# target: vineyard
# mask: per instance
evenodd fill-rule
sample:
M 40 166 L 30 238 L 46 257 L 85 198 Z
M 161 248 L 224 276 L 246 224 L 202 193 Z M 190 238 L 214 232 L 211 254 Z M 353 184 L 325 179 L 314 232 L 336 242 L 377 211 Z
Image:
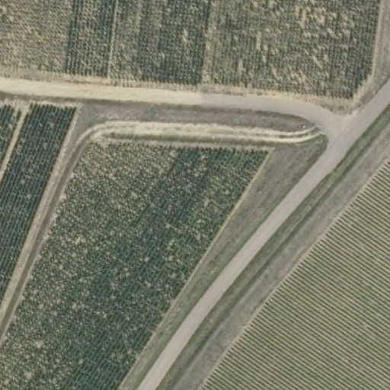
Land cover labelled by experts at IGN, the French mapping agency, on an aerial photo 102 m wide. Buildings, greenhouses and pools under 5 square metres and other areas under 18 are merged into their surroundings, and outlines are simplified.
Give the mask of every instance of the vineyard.
M 326 201 L 303 224 L 302 229 L 274 259 L 273 264 L 245 292 L 245 296 L 239 300 L 229 317 L 219 324 L 218 329 L 213 332 L 212 337 L 204 344 L 197 358 L 187 367 L 172 390 L 390 390 L 390 123 L 382 129 L 378 139 L 364 152 L 363 157 L 356 161 L 356 165 L 346 178 L 332 190 Z
M 166 90 L 178 91 L 187 87 L 187 90 L 193 88 L 198 93 L 203 93 L 261 96 L 268 90 L 273 90 L 318 96 L 352 99 L 358 87 L 370 75 L 381 0 L 0 0 L 0 66 L 29 69 L 35 64 L 41 72 L 110 78 L 113 87 L 154 88 L 158 82 L 163 82 L 160 87 Z
M 93 142 L 93 126 L 85 129 L 81 136 L 75 136 L 81 119 L 81 111 L 78 108 L 82 107 L 87 97 L 38 96 L 0 91 L 0 390 L 117 390 L 126 373 L 133 367 L 137 353 L 143 349 L 155 326 L 168 311 L 171 300 L 178 296 L 187 277 L 193 268 L 197 267 L 204 251 L 218 233 L 225 216 L 232 212 L 236 201 L 241 198 L 254 172 L 267 155 L 265 151 L 219 149 L 216 143 L 212 143 L 213 139 L 111 133 L 102 134 L 101 139 Z

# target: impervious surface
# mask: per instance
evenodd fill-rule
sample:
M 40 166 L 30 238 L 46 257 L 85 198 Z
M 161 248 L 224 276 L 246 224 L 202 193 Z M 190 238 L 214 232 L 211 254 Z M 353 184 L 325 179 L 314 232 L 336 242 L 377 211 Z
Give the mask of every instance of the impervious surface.
M 190 335 L 218 302 L 225 289 L 232 285 L 245 265 L 253 259 L 254 254 L 261 250 L 262 245 L 288 218 L 289 213 L 302 203 L 303 198 L 317 186 L 324 175 L 335 168 L 352 143 L 390 104 L 390 81 L 372 101 L 352 114 L 332 113 L 326 108 L 318 107 L 315 105 L 318 96 L 273 90 L 268 90 L 261 96 L 203 93 L 197 105 L 296 114 L 314 120 L 320 129 L 324 134 L 328 137 L 326 151 L 286 195 L 285 200 L 276 207 L 270 218 L 251 236 L 244 248 L 233 257 L 233 261 L 219 274 L 215 283 L 207 289 L 203 299 L 187 315 L 177 334 L 169 341 L 137 390 L 155 390 Z

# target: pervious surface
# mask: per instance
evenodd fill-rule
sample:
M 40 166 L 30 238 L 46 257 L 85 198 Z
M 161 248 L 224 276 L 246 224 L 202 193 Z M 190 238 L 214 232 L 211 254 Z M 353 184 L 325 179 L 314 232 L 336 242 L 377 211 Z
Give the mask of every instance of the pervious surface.
M 213 139 L 299 143 L 324 134 L 320 129 L 311 134 L 309 128 L 300 131 L 276 131 L 218 123 L 163 123 L 137 120 L 97 123 L 93 126 L 93 142 L 101 139 L 102 134 L 111 133 Z
M 166 90 L 160 87 L 163 82 L 158 82 L 154 88 L 113 87 L 110 78 L 41 72 L 35 64 L 29 69 L 0 66 L 0 91 L 38 96 L 87 97 L 111 101 L 197 105 L 203 93 L 198 93 L 193 88 L 187 90 L 187 87 L 178 91 Z

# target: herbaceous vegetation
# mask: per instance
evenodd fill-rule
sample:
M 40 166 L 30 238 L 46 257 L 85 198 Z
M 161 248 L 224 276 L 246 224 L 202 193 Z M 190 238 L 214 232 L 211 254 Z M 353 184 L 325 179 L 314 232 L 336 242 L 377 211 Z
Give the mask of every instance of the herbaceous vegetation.
M 229 317 L 239 300 L 245 296 L 245 292 L 273 264 L 274 259 L 302 229 L 303 224 L 326 201 L 332 190 L 346 178 L 356 165 L 356 161 L 363 157 L 364 152 L 378 139 L 382 129 L 390 123 L 390 104 L 352 143 L 335 168 L 324 175 L 317 186 L 303 198 L 302 203 L 289 213 L 288 218 L 262 245 L 261 250 L 254 254 L 253 259 L 245 265 L 232 285 L 225 289 L 218 302 L 190 335 L 155 390 L 172 390 L 187 367 L 197 358 L 204 344 L 212 337 L 213 332 L 218 329 L 219 324 Z
M 193 268 L 187 277 L 178 296 L 171 300 L 168 311 L 155 326 L 143 349 L 137 353 L 133 367 L 126 373 L 117 390 L 137 390 L 169 341 L 177 334 L 187 315 L 203 299 L 207 289 L 215 283 L 219 274 L 233 261 L 233 257 L 244 248 L 251 236 L 270 218 L 276 207 L 285 200 L 286 195 L 326 151 L 328 137 L 324 134 L 299 143 L 213 139 L 212 143 L 216 143 L 219 149 L 265 151 L 267 155 L 254 172 L 241 198 L 236 201 L 232 212 L 225 216 L 218 233 L 204 251 L 197 267 Z
M 352 99 L 318 96 L 315 105 L 318 107 L 326 108 L 332 113 L 352 114 L 372 101 L 390 81 L 390 0 L 381 0 L 370 75 L 358 87 Z
M 97 123 L 137 120 L 163 123 L 218 123 L 276 131 L 300 131 L 309 128 L 311 134 L 320 129 L 314 120 L 296 114 L 197 105 L 111 101 L 87 97 L 82 107 L 78 108 L 81 111 L 81 119 L 75 136 L 81 136 L 85 129 L 93 126 Z

